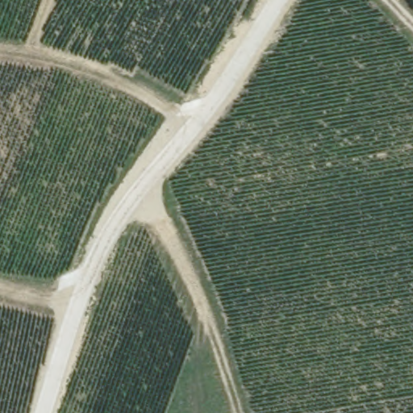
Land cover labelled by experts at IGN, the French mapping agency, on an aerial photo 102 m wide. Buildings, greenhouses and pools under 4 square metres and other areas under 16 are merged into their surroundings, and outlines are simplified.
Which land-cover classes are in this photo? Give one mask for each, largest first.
<instances>
[{"label":"vineyard","instance_id":"1","mask_svg":"<svg viewBox=\"0 0 413 413\"><path fill-rule=\"evenodd\" d=\"M42 0H0V42H26ZM258 0H55V6L45 21L44 32L40 37L42 44L90 58L103 65L115 63L126 69L139 66L134 76L136 84H142L168 102L174 103L192 102L198 98V86L210 71L211 61L218 52L219 45L223 40L234 39L232 24L237 26L250 19ZM163 203L166 213L176 227L177 236L184 245L187 258L194 266L200 286L205 292L226 348L227 360L236 381L244 413H413V32L407 29V26L381 0H297L292 6V19L286 27V32L276 44L266 47L265 55L261 56L257 68L248 77V82L239 97L229 106L226 116L219 119L210 134L163 182ZM165 118L147 103L140 102L126 92L103 86L100 82L86 77L73 76L63 69L0 65V279L53 292L58 286V277L61 274L81 265L86 257L89 240L94 236L95 226L105 206L129 173V169L136 163L140 153L144 152L148 142L160 129ZM89 318V326L77 355L76 366L69 376L65 397L61 398V405L56 413H165L169 395L173 392L177 374L181 371L189 345L211 350L210 340L203 332V324L198 321L197 310L189 290L182 281L173 258L165 245L161 244L160 236L155 232H148L144 224L136 221L129 223L119 236L113 252L106 258L100 282L95 286L94 294L90 295L89 307L84 313ZM55 315L52 308L44 305H32L0 295V413H31L40 366L45 365L52 340Z\"/></svg>","mask_w":413,"mask_h":413},{"label":"pervious surface","instance_id":"2","mask_svg":"<svg viewBox=\"0 0 413 413\"><path fill-rule=\"evenodd\" d=\"M297 0H258L250 19L237 26L232 24L234 39L223 40L219 45L218 52L211 61L210 71L198 86V98L192 102L174 103L168 102L142 84H136L134 76L139 66L126 69L115 63L103 65L90 58L42 44L40 37L44 32L45 21L55 6V0H42L26 42H0V65L63 69L73 76L86 77L100 82L103 86L126 92L140 102L147 103L165 118L160 129L148 142L144 152L140 153L136 163L129 169V173L105 206L95 226L94 236L89 240L86 257L81 265L61 274L58 277V286L53 292L0 279V295L32 305H44L52 308L55 315L52 340L45 365L40 366L31 413H56L61 405V398L65 397L69 376L76 366L77 355L89 326V318L84 313L89 307L90 295L94 294L95 286L100 282L106 258L113 252L119 236L129 223L136 221L144 224L148 232H155L160 236L161 244L165 245L173 258L182 281L189 290L197 310L198 321L203 324V332L210 340L211 350L231 413H244L236 381L227 360L226 348L205 292L200 286L194 266L187 258L184 245L177 236L176 227L166 213L163 203V182L210 134L219 119L226 116L229 106L239 97L248 82V77L257 68L261 56L265 55L266 47L276 44L286 32V27L292 19V6ZM407 26V29L413 32V0H381Z\"/></svg>","mask_w":413,"mask_h":413},{"label":"herbaceous vegetation","instance_id":"3","mask_svg":"<svg viewBox=\"0 0 413 413\"><path fill-rule=\"evenodd\" d=\"M165 413H231L211 350L189 345L181 371L177 374L173 392L169 395Z\"/></svg>","mask_w":413,"mask_h":413}]
</instances>
